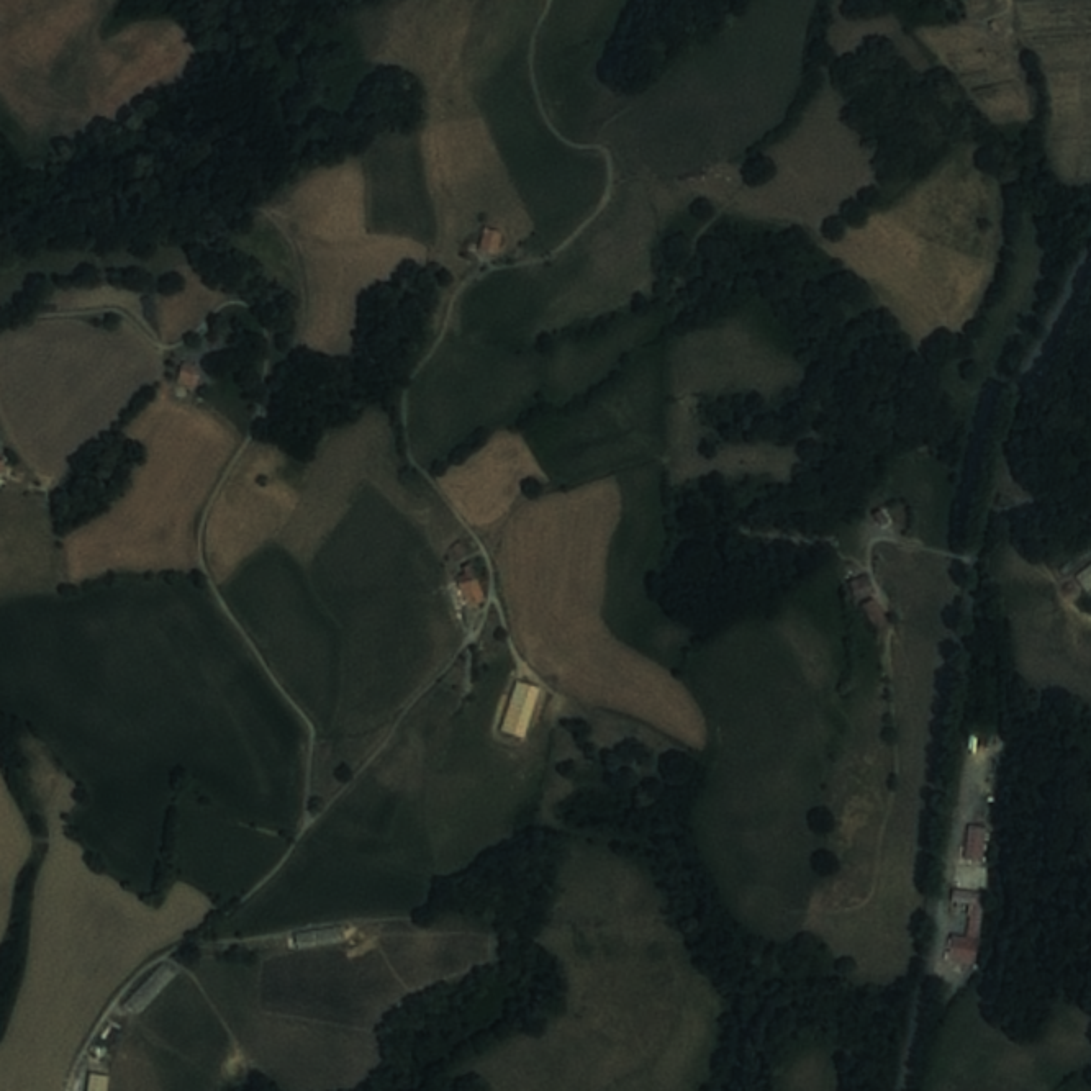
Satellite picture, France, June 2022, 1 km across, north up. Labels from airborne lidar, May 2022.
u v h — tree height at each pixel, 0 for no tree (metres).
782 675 0
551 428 0
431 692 0
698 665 0
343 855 0
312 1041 0
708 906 28
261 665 0
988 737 0
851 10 16
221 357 14
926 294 0
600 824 23
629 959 0
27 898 8
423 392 0
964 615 24
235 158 25
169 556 0
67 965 0
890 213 0
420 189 0
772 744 0
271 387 16
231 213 23
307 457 7
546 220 0
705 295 18
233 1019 0
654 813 18
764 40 0
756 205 0
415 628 0
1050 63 0
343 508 0
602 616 0
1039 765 25
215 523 0
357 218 0
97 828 0
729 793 0
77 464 18
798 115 8
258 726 0
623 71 28
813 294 22
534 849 28
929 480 0
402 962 0
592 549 0
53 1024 0
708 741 0
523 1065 0
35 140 0
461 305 0
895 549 0
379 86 21
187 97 22
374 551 0
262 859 0
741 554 26
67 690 0
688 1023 0
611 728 0
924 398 28
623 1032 0
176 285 15
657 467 0
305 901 0
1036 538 20
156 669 0
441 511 0
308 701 0
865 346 19
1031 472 23
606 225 0
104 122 16
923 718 0
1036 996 22
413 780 0
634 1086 0
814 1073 0
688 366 0
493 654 0
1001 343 0
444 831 0
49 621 0
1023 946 28
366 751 0
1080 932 33
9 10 0
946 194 0
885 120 14
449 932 0
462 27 0
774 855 0
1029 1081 0
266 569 0
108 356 0
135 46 0
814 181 0
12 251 19
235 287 18
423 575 0
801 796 0
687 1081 0
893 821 0
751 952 24
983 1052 0
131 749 0
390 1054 22
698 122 0
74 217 26
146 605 0
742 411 11
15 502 0
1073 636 0
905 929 0
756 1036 30
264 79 23
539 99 0
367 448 0
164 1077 0
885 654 0
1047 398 22
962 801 0
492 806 0
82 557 0
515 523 0
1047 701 8
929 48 0
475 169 0
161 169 23
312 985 0
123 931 0
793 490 15
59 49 0
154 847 0
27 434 0
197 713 0
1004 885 16
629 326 0
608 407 0
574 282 0
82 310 0
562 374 0
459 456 9
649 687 0
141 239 20
